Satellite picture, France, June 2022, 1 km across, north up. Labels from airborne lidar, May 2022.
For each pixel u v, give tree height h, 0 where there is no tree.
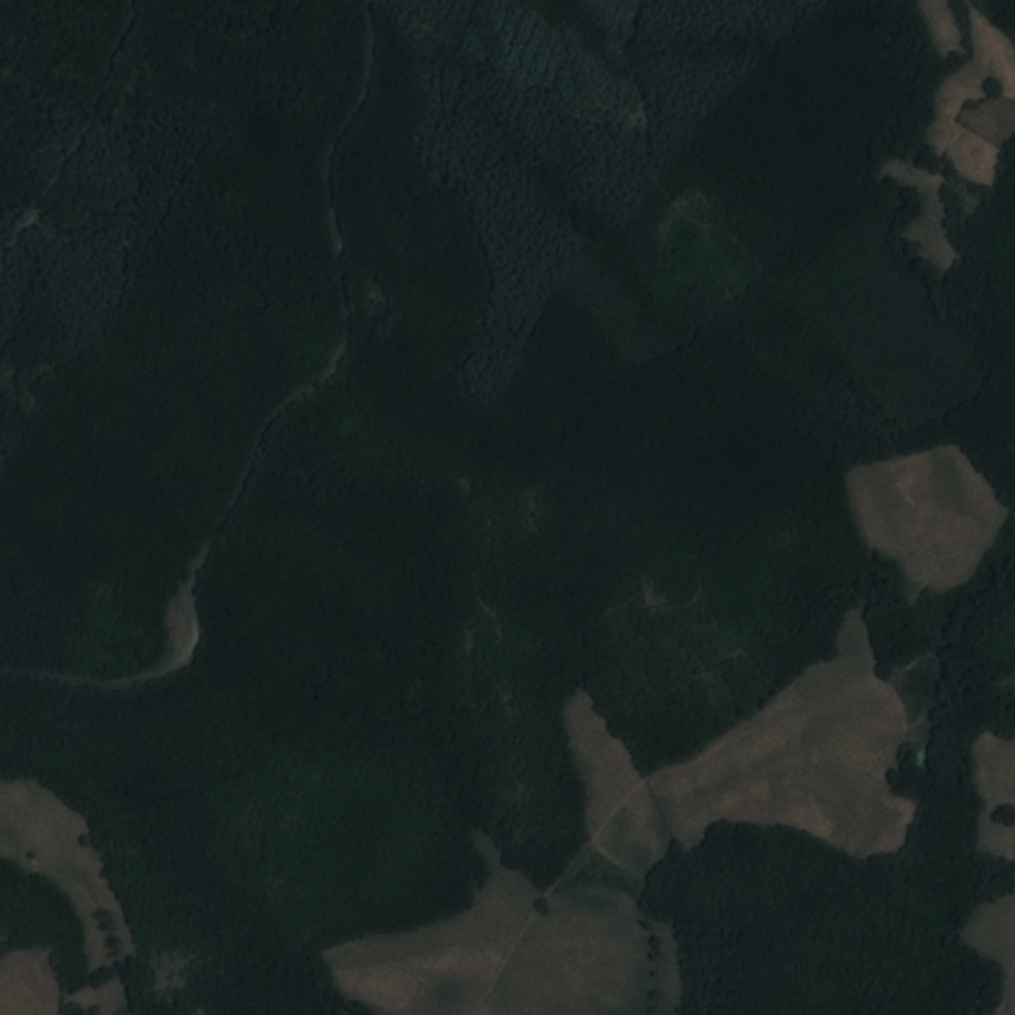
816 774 0
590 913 0
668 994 0
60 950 9
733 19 18
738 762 0
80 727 14
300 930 7
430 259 12
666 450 15
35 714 11
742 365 11
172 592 8
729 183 10
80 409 13
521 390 13
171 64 14
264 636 14
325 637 13
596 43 12
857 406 10
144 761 13
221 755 12
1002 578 22
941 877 19
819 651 18
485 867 17
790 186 14
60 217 10
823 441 17
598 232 21
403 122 14
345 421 6
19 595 16
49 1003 0
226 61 12
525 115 16
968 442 14
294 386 16
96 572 9
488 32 16
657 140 14
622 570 11
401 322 11
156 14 15
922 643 15
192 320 13
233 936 12
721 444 13
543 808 9
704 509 10
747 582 9
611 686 8
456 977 0
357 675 12
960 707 20
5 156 6
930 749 14
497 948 0
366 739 11
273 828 7
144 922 6
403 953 0
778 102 14
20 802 0
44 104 13
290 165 16
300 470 14
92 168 16
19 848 0
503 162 17
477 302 13
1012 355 20
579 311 12
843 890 11
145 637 6
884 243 9
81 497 7
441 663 12
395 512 17
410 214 15
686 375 15
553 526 10
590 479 12
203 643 11
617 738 13
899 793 8
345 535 19
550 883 10
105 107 10
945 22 0
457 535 12
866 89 18
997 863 8
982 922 0
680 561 11
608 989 0
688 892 10
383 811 9
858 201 16
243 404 14
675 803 0
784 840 11
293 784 10
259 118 15
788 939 10
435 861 11
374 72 12
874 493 0
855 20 15
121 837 8
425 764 12
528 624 11
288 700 13
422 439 13
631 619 7
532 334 13
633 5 12
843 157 18
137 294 13
